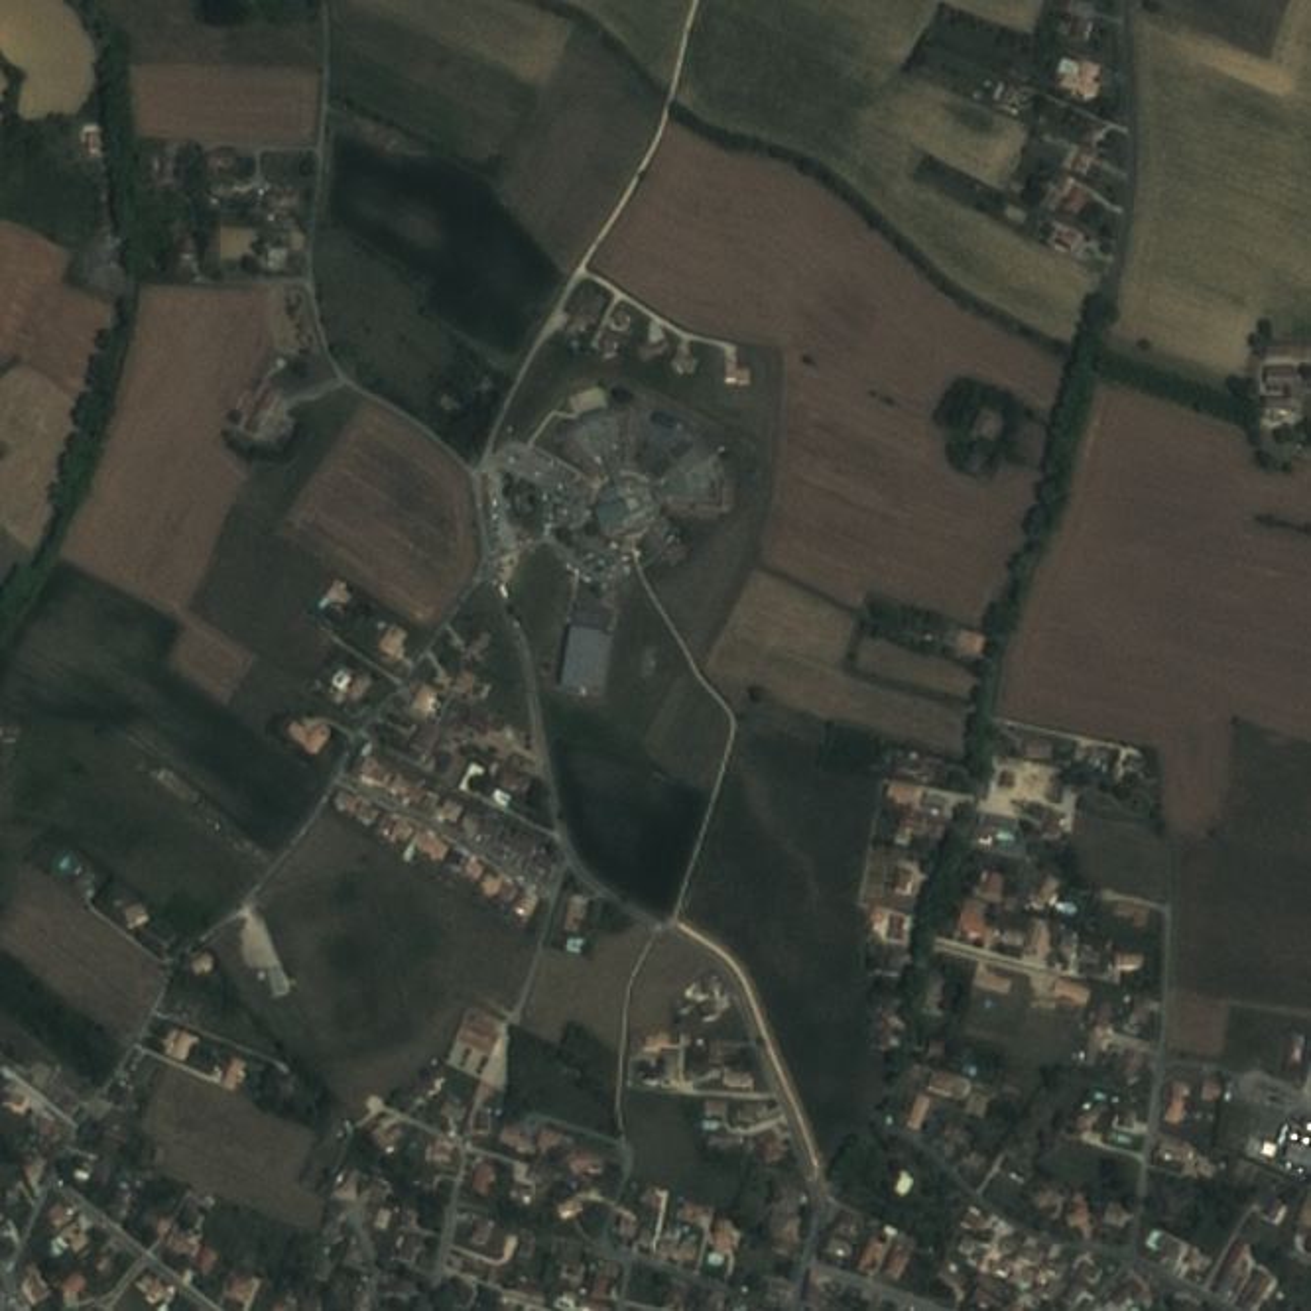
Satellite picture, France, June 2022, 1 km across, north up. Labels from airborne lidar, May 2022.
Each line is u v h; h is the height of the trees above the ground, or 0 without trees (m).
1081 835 0
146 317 0
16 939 0
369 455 0
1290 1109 0
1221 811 0
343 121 0
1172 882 0
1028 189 10
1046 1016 0
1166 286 0
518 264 0
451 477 0
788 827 0
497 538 0
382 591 0
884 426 0
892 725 0
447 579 0
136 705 0
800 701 0
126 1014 0
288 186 0
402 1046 0
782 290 0
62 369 0
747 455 0
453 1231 0
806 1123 0
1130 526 0
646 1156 0
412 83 0
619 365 0
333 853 0
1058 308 0
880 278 0
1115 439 0
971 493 0
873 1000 9
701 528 0
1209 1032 0
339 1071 0
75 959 0
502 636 0
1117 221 0
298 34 0
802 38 0
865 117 0
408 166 0
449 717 0
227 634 0
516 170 0
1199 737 0
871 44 0
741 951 0
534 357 0
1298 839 0
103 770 0
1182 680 0
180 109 0
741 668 0
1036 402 0
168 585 0
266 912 0
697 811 0
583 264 0
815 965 0
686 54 0
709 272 0
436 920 0
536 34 0
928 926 20
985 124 0
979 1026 0
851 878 0
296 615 0
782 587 0
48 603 0
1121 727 0
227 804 0
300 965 0
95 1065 7
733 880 0
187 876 0
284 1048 17
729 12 0
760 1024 0
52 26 0
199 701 0
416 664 0
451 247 0
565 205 0
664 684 0
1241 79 0
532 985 0
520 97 0
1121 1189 7
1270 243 0
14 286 0
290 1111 9
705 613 0
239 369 0
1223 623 0
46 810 0
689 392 0
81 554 0
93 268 0
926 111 0
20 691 0
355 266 0
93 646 0
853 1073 0
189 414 0
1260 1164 7
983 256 0
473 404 8
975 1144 9
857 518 0
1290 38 0
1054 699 0
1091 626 0
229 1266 8
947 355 0
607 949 0
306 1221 0
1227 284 0
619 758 0
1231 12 0
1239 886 0
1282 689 0
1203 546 0
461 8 0
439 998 0
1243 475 0
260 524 0
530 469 0
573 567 0
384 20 0
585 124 0
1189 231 0
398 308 0
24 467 0
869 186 0
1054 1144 14
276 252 0
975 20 7
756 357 0
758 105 0
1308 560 0
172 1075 0
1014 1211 6
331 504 0
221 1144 0
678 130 0
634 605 0
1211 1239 0
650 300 0
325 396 0
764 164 0
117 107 24
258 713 0
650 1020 0
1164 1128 0
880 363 0
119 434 0
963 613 0
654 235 0
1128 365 19
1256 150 0
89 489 19
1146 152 0
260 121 0
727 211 0
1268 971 0
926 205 0
